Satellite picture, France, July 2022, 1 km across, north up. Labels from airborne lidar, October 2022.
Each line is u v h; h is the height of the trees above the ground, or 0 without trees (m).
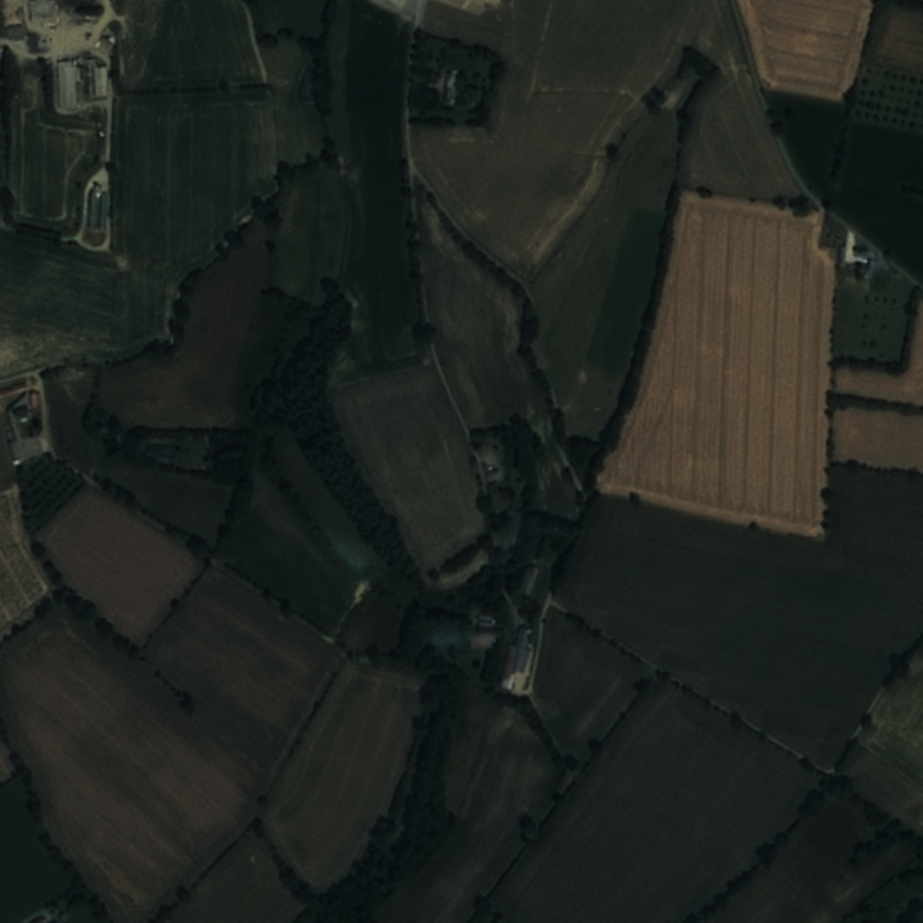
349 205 0
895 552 0
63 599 16
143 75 0
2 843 0
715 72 7
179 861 0
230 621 0
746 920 0
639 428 0
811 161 0
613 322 0
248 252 0
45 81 10
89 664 0
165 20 0
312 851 0
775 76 0
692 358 0
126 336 0
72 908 10
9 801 0
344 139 0
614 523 0
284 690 0
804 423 0
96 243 0
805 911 0
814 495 0
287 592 0
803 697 0
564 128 0
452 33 0
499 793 0
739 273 0
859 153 0
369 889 20
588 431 0
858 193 0
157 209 0
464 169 0
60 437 0
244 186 0
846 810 0
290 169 18
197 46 0
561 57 0
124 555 0
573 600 0
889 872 0
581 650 0
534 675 0
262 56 0
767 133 0
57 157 0
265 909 0
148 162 0
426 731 21
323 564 0
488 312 0
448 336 0
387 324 0
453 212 0
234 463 25
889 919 0
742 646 0
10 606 0
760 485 0
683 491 0
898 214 0
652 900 0
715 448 0
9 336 0
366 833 0
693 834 0
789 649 0
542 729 18
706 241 0
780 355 0
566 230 0
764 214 0
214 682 0
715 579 0
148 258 0
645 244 0
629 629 0
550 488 0
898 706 0
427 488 0
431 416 0
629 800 0
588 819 0
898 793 0
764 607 0
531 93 0
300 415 26
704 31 0
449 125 10
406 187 7
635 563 0
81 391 0
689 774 0
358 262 0
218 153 0
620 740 0
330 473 26
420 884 0
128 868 0
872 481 0
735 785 0
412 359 0
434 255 0
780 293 0
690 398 0
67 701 0
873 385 0
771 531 0
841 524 0
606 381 0
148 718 0
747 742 0
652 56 0
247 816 0
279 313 0
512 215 0
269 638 0
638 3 0
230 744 0
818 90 0
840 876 0
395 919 0
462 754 0
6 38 0
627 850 0
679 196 11
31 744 0
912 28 0
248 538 0
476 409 0
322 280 0
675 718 0
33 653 0
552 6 0
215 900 0
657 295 13
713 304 0
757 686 0
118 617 0
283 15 0
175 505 0
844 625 0
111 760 0
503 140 0
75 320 0
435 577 13
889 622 0
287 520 0
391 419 0
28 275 0
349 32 0
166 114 0
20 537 0
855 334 0
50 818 0
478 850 0
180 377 0
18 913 0
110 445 11
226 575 0
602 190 0
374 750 0
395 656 14
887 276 0
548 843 0
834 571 0
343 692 0
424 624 20
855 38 0
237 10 0
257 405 19
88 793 0
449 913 0
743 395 0
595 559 0
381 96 0
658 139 0
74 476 10
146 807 0
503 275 14
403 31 0
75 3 0
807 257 0
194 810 0
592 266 0
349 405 0
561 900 0
